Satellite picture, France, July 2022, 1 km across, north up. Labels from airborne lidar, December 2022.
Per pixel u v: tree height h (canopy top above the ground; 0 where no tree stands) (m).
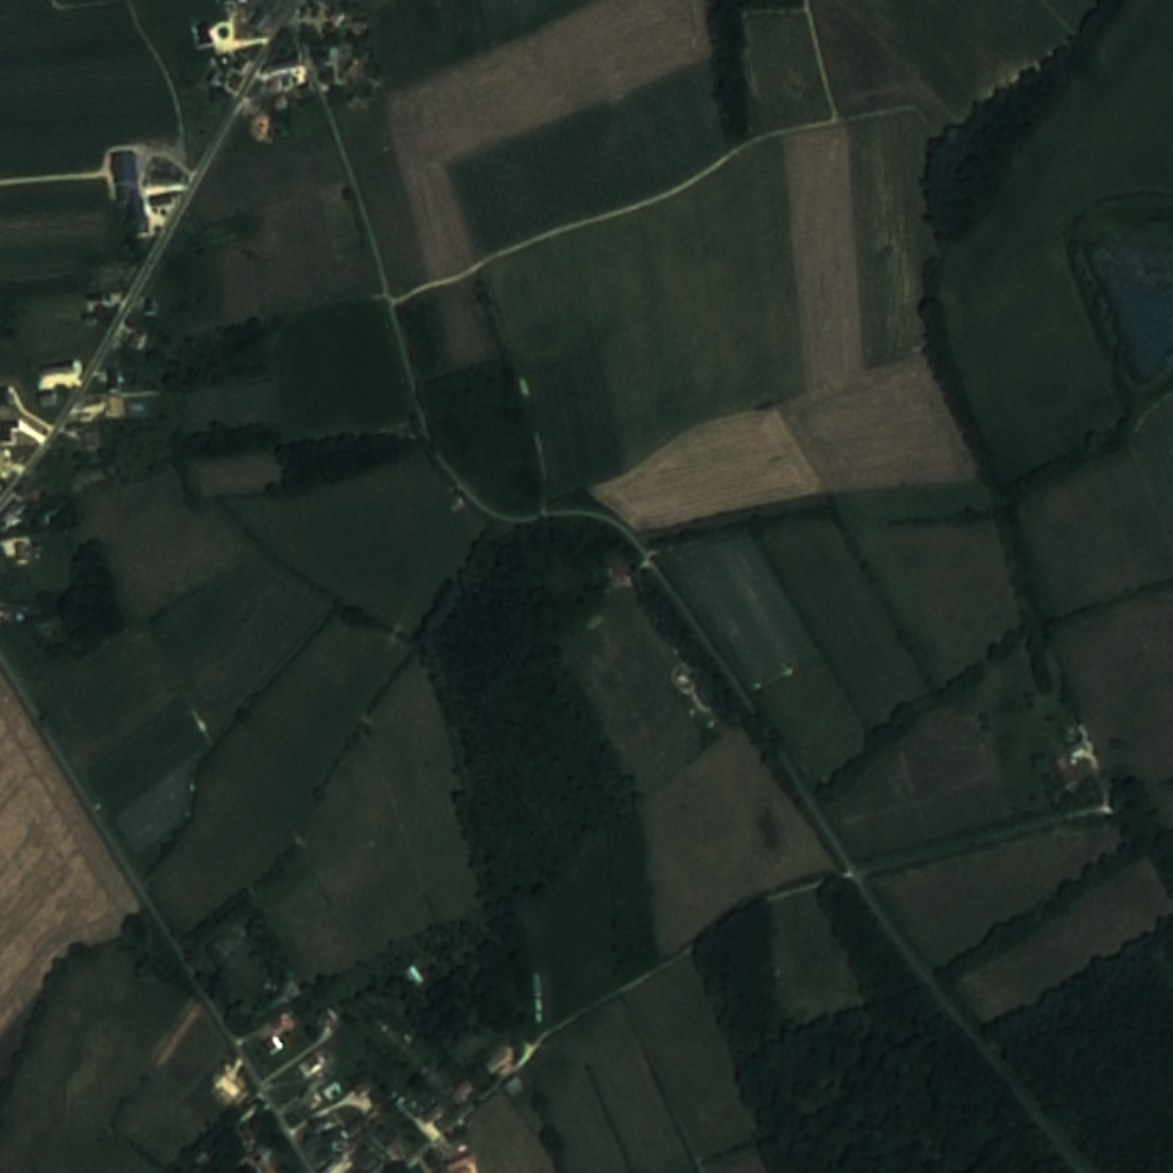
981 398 0
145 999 0
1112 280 0
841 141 0
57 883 0
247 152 0
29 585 0
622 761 20
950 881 0
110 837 0
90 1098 0
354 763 0
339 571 0
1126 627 0
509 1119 0
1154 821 16
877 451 0
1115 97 0
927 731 0
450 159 0
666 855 0
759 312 0
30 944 0
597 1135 0
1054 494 0
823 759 0
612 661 0
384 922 0
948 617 0
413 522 0
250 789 0
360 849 0
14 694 0
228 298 0
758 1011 19
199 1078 0
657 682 0
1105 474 0
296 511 0
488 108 0
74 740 0
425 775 0
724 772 0
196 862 0
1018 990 0
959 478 0
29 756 0
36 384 0
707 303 0
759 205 0
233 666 0
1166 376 0
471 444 7
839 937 12
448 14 0
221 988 22
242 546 0
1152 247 0
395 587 0
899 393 0
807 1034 22
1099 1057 19
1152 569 0
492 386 9
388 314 0
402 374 0
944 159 25
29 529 6
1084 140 0
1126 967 21
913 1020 23
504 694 30
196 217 0
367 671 0
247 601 0
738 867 0
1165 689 0
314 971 0
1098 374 0
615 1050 0
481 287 8
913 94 0
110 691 0
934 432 0
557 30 0
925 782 0
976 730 0
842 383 0
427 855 0
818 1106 22
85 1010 0
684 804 0
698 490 0
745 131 10
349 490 0
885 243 0
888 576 0
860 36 0
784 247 0
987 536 0
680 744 0
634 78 0
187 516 0
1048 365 0
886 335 0
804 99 0
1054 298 0
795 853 0
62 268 0
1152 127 0
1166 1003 29
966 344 0
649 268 0
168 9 0
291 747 0
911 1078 23
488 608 33
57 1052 0
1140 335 0
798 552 0
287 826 0
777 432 0
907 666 0
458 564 0
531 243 0
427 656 7
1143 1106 21
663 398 0
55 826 0
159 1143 0
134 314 0
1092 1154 20
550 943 0
